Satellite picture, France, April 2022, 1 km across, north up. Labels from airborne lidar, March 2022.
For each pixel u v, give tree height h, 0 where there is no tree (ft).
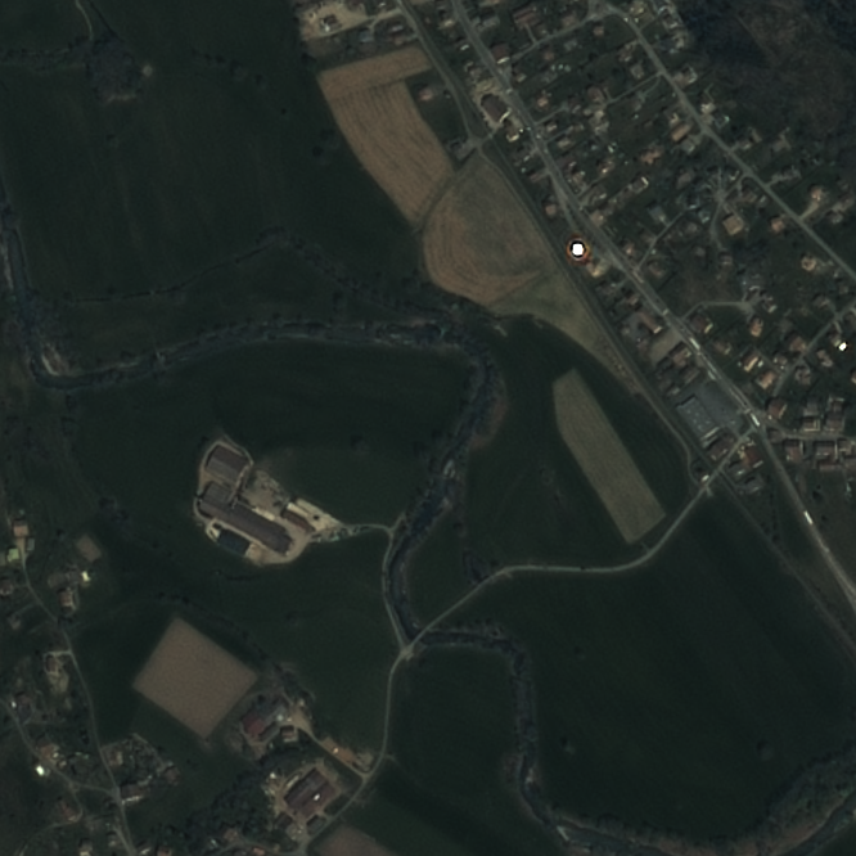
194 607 51
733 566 0
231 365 0
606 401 0
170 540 0
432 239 0
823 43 0
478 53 0
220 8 0
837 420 0
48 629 0
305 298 0
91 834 0
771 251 49
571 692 0
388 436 0
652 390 0
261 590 0
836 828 0
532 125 0
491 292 0
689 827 0
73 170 0
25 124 0
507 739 0
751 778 0
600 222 0
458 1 0
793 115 62
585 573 0
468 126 0
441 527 0
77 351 67
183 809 0
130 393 0
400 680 0
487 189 0
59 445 0
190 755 0
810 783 76
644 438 0
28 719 0
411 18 0
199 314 0
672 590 0
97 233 0
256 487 0
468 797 0
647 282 0
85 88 0
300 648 0
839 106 0
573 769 0
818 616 0
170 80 0
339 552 0
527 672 44
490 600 0
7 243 37
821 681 0
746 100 56
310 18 0
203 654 0
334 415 0
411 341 0
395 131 0
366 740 0
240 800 40
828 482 0
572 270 0
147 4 0
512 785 31
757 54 60
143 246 0
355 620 0
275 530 0
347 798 0
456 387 0
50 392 0
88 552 0
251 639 44
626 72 26
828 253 0
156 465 0
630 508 0
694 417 0
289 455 0
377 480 0
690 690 0
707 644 0
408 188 0
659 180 0
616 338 0
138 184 0
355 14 0
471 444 35
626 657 0
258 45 0
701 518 0
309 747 21
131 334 0
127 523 47
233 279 0
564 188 0
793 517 0
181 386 0
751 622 0
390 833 0
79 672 0
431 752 0
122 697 0
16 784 0
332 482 0
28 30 0
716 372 0
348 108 0
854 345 32
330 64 0
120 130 0
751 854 0
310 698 47
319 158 47
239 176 0
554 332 0
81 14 0
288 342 0
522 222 0
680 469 0
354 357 0
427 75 0
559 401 0
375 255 0
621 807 0
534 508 0
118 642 0
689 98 0
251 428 0
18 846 0
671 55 22
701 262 31
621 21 0
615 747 0
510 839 0
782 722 0
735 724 0
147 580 0
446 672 0
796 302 0
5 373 0
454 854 0
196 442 0
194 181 0
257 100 0
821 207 0
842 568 0
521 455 0
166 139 0
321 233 0
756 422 0
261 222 0
